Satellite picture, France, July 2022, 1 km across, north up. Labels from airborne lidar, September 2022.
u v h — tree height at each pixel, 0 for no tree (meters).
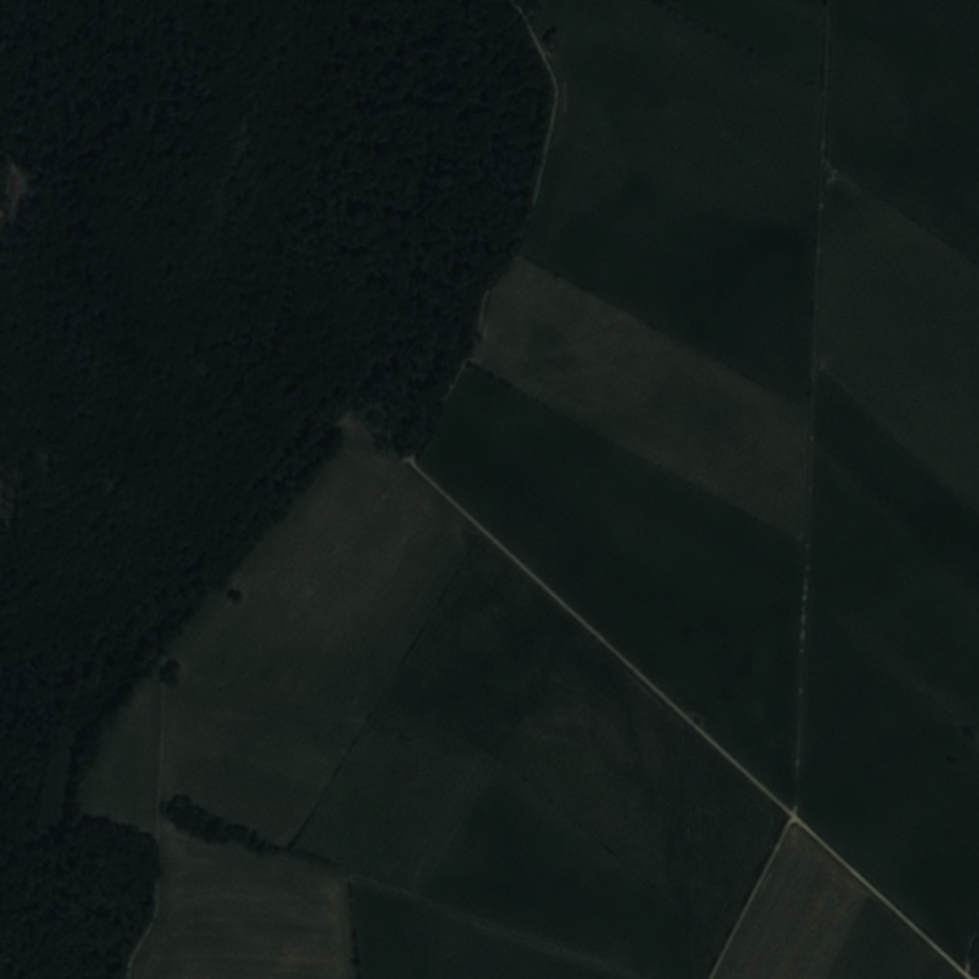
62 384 18
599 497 0
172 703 0
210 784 0
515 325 0
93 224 22
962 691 0
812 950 0
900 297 0
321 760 0
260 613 0
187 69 24
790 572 0
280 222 21
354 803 0
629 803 0
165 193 15
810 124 0
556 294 0
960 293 0
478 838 0
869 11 0
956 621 0
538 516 0
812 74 0
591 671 0
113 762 0
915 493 0
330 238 18
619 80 0
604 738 0
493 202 20
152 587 18
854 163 0
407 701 0
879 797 0
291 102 23
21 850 24
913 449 0
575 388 0
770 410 0
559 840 0
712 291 0
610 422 0
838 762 0
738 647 0
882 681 0
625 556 0
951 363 0
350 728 0
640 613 0
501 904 0
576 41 0
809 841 0
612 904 0
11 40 16
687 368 0
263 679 0
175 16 19
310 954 0
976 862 0
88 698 7
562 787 0
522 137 18
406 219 24
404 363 22
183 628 19
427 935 0
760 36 0
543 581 0
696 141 0
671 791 0
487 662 0
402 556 0
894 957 0
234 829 10
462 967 0
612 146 0
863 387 0
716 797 0
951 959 0
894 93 0
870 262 0
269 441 17
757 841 0
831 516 0
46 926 13
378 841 0
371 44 19
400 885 0
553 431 0
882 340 0
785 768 0
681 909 0
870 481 0
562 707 0
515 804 0
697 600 0
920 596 0
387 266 22
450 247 7
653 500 0
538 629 0
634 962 0
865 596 0
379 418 11
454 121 23
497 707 0
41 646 19
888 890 0
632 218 0
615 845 0
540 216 0
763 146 0
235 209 24
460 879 0
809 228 0
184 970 0
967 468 0
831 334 0
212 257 19
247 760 0
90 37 22
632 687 0
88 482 17
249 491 18
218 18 16
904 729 0
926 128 0
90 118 23
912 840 0
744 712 0
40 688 25
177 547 20
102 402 20
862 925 0
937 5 0
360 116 15
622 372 0
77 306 28
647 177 0
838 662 0
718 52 0
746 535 0
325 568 0
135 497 16
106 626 23
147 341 16
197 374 17
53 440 19
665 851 0
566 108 0
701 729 0
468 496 0
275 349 19
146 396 16
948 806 0
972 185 0
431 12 16
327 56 22
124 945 11
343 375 20
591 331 0
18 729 24
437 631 0
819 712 0
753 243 0
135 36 7
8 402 19
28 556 15
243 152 10
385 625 0
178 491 17
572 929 0
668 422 0
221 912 0
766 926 0
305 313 18
